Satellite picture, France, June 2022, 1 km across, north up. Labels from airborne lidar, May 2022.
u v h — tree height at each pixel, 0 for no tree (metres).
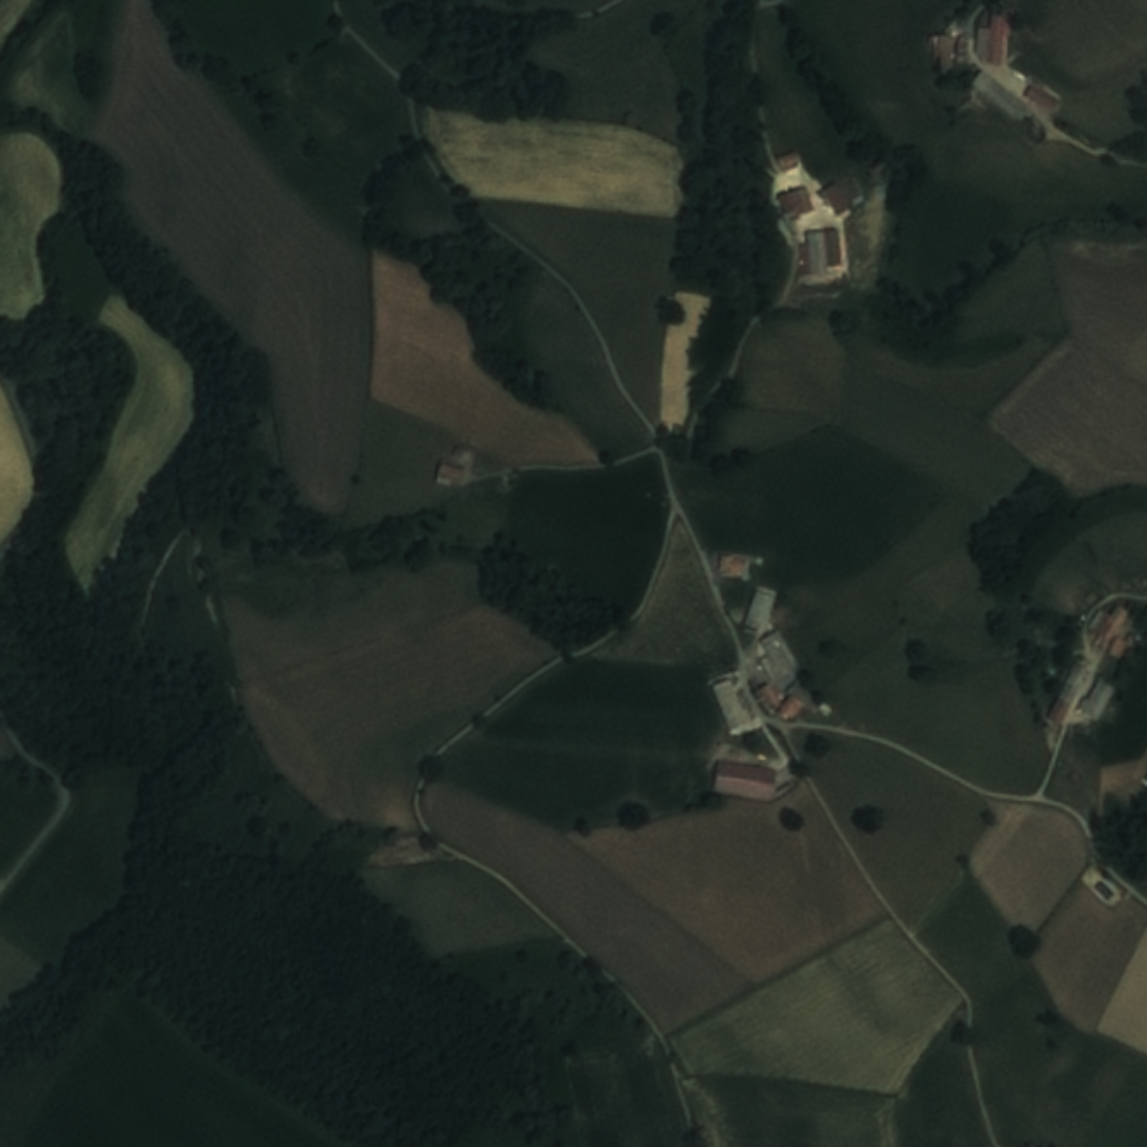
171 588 0
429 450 0
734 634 0
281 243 0
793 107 0
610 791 0
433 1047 16
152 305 27
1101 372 0
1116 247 0
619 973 0
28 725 15
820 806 0
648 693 0
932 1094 0
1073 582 0
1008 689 0
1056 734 0
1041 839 0
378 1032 13
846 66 0
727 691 0
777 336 0
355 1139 13
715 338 11
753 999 0
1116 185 0
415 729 0
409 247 15
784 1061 0
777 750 0
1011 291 0
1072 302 0
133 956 17
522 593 26
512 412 0
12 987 0
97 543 0
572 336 0
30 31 13
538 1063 11
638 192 0
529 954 12
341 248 0
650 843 0
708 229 23
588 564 0
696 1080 0
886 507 0
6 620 16
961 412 0
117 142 0
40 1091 0
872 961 0
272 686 0
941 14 0
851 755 0
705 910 0
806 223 0
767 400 0
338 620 0
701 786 0
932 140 0
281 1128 0
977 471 0
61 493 20
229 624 0
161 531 11
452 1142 12
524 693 0
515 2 15
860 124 22
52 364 28
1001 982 0
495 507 0
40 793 0
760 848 0
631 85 0
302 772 0
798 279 0
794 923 0
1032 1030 0
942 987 0
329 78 0
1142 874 21
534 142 0
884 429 0
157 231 0
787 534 0
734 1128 0
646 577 0
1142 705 0
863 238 0
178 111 0
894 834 0
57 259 14
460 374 0
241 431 21
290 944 9
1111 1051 0
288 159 0
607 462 12
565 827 0
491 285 12
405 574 0
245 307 0
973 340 0
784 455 0
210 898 14
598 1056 0
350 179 0
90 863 0
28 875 0
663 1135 0
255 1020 13
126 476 0
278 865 19
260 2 0
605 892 0
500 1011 13
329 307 0
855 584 0
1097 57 0
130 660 14
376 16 0
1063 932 0
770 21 0
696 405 13
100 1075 0
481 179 0
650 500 0
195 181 0
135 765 19
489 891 0
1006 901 0
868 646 0
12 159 0
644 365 0
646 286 0
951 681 0
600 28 0
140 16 0
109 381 21
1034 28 0
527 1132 14
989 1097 0
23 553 16
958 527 0
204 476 21
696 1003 0
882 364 0
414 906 0
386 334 0
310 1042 12
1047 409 0
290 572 0
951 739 0
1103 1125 0
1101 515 0
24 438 0
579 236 0
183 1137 0
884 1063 0
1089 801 0
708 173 20
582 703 0
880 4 0
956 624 0
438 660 0
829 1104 0
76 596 21
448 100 17
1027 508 14
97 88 12
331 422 0
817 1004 0
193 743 10
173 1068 0
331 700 0
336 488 0
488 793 0
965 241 0
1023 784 0
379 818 0
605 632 16
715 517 0
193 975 16
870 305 0
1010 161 0
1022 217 0
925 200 0
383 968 14
